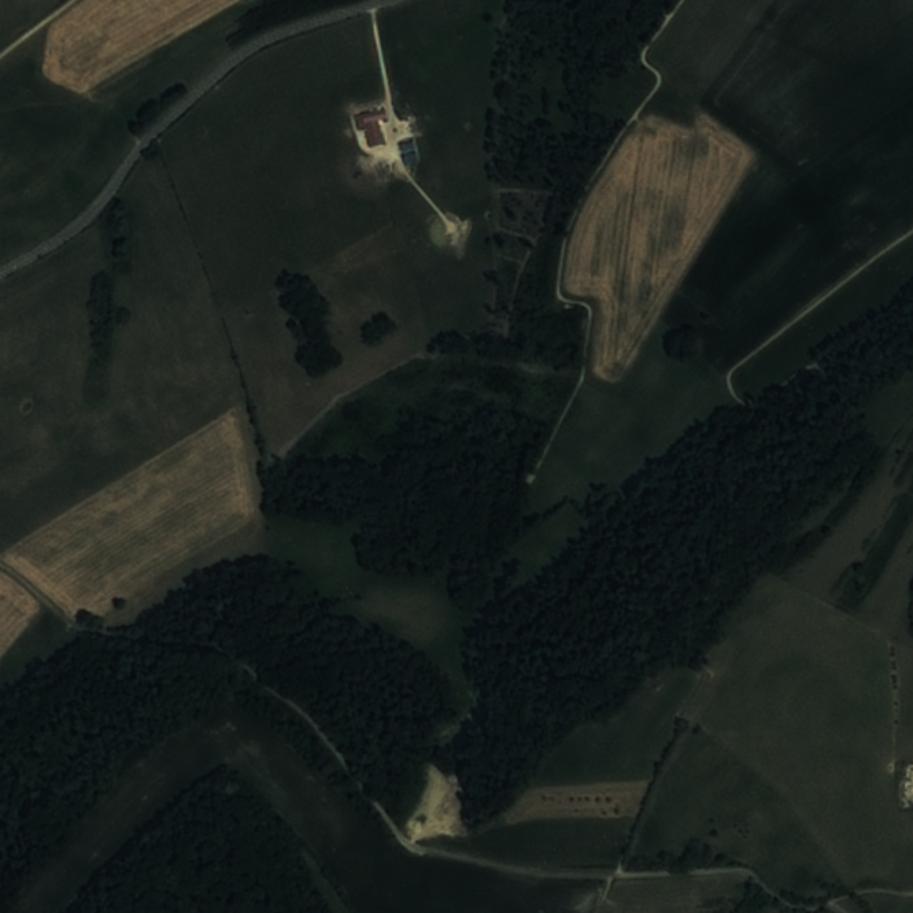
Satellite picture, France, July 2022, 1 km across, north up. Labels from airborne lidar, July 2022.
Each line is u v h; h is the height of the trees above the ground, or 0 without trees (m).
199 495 0
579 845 0
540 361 8
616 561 31
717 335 0
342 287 0
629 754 0
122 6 0
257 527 0
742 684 0
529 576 0
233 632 24
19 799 17
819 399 24
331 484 27
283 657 30
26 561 0
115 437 0
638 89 0
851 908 0
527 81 16
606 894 0
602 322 0
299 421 0
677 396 0
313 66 0
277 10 6
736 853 0
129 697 25
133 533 0
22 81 0
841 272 0
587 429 0
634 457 0
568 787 0
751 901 8
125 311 7
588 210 0
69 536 0
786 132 0
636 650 20
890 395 0
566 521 0
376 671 12
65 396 0
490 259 0
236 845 29
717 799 0
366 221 0
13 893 13
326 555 0
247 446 0
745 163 0
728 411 10
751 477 23
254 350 0
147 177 0
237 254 0
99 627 12
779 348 0
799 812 0
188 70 0
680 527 27
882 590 0
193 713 14
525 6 23
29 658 0
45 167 0
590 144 22
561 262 0
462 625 0
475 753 32
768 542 19
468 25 0
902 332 26
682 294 0
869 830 0
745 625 0
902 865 0
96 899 24
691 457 21
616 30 22
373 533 18
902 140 0
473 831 22
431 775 0
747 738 0
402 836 0
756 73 0
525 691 26
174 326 0
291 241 0
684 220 0
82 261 0
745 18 0
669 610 19
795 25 0
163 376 0
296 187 0
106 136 0
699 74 0
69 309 0
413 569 25
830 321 0
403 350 0
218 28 0
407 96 0
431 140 0
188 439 0
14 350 0
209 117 0
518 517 21
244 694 17
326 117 0
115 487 0
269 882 27
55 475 0
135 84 0
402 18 0
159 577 0
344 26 0
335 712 20
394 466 22
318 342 22
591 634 11
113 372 0
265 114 0
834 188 0
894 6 0
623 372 0
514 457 6
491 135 16
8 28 0
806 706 0
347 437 0
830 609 0
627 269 0
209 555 0
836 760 0
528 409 0
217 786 24
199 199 0
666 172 0
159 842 24
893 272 0
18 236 0
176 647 21
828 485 15
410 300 0
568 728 18
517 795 21
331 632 25
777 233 0
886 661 0
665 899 0
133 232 0
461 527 32
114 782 13
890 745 0
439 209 0
